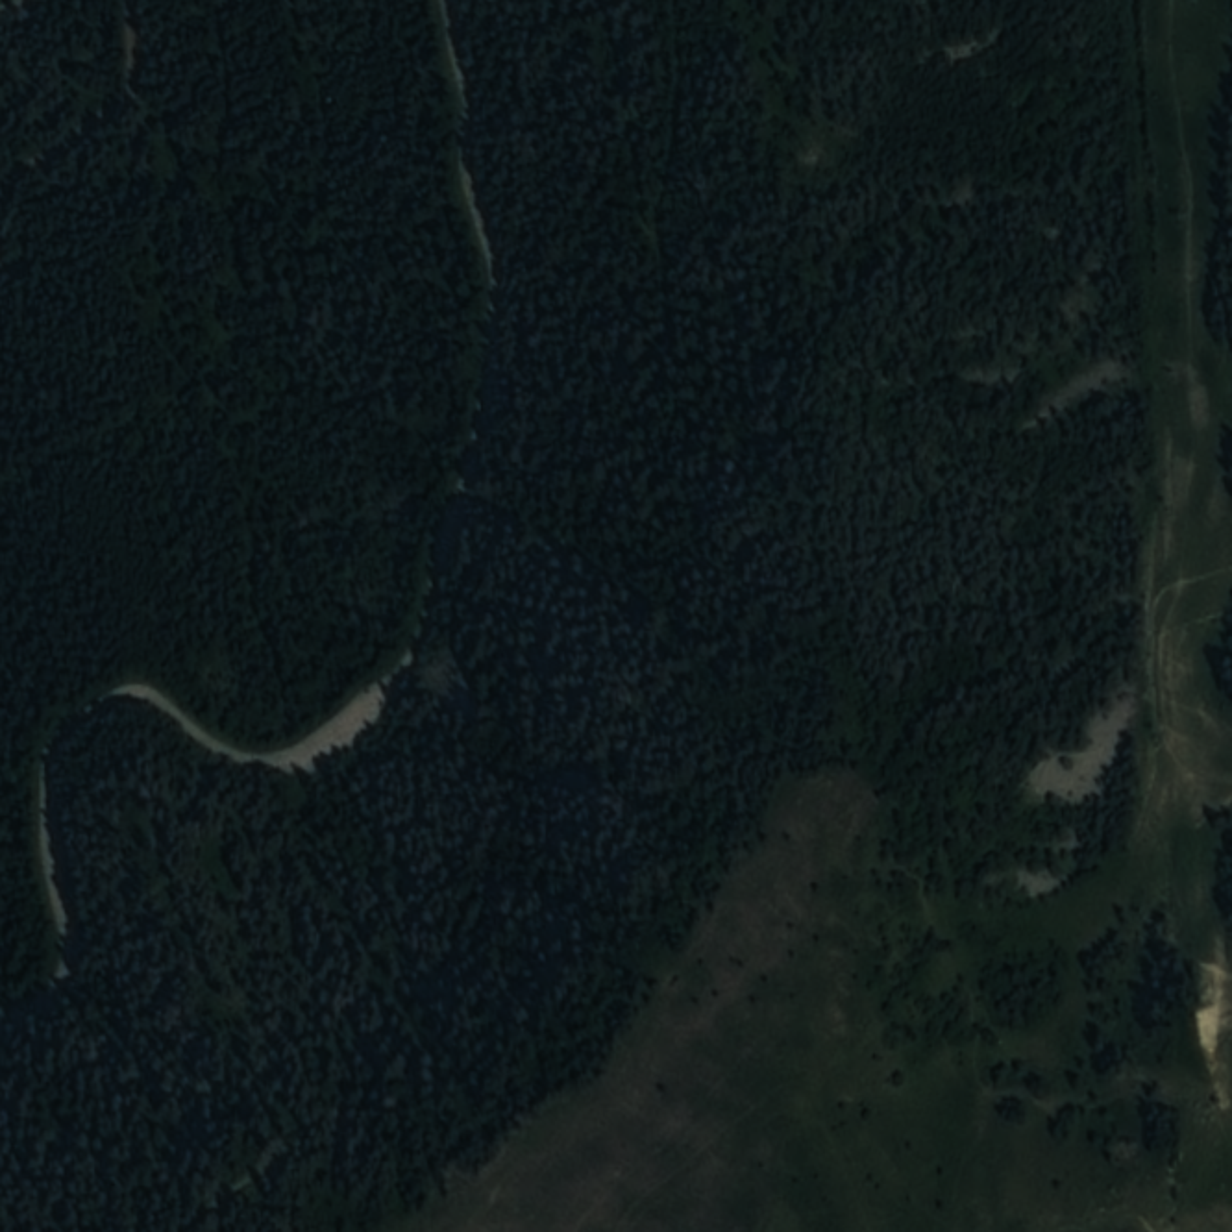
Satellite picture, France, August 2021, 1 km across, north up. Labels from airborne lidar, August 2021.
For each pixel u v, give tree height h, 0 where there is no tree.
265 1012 31
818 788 0
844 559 23
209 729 9
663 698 27
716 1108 0
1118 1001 7
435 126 17
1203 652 0
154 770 26
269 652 14
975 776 13
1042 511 14
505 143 28
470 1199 0
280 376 13
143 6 20
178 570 11
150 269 9
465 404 7
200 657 10
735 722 6
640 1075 0
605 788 36
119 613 12
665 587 21
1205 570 0
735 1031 0
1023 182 8
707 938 0
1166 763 0
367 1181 28
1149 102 12
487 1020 18
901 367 27
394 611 12
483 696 17
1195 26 0
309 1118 26
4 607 22
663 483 7
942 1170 8
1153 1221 0
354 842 11
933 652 19
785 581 25
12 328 26
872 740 8
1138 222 9
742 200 9
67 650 15
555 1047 10
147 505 20
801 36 16
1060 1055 0
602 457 27
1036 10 21
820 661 9
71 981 11
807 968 0
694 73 8
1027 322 19
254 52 20
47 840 0
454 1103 7
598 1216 0
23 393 18
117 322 16
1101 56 7
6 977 7
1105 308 7
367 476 18
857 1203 0
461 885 23
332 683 10
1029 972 12
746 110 6
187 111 21
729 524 16
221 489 15
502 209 16
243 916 32
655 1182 0
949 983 0
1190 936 0
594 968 16
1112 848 24
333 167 20
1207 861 0
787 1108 0
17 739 15
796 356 11
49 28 29
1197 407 0
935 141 12
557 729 21
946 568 26
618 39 11
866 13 8
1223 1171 0
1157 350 0
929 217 22
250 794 21
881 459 24
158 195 21
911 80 14
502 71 19
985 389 20
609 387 15
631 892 22
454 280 13
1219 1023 0
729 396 16
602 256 21
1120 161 7
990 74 8
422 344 20
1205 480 0
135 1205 10
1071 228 13
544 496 19
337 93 12
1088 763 0
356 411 15
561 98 16
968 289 9
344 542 12
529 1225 0
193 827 28
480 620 11
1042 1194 0
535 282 17
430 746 17
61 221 19
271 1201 18
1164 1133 13
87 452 9
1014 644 21
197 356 7
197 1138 8
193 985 30
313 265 21
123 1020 19
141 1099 21
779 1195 0
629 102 28
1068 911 0
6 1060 17
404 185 11
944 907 0
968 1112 0
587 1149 0
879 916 0
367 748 12
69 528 14
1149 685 0
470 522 20
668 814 8
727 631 6
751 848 12
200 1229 20
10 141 26
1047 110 18
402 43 7
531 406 23
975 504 32
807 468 19
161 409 10
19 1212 26
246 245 22
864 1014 0
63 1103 16
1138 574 28
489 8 24
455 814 30
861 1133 0
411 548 9
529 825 23
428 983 6
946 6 13
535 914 22
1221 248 12
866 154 11
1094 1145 7
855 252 18
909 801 15
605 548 14
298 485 9
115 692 0
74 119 32
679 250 12
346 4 14
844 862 0
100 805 20
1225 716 0
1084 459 8
